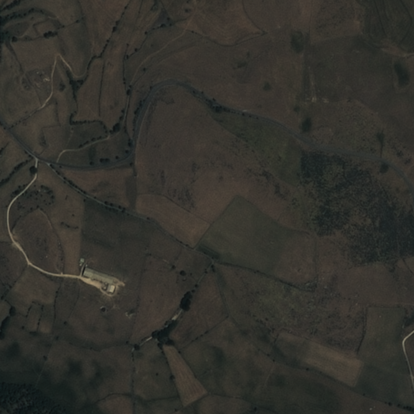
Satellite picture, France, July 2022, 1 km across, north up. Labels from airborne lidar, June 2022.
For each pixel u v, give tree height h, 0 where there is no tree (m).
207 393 0
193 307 0
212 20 0
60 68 0
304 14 0
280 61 0
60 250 0
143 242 0
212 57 0
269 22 0
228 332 0
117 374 0
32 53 0
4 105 0
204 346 0
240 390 0
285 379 0
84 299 0
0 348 0
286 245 0
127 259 0
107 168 0
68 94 0
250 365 0
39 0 0
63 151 0
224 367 0
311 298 0
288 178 0
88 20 0
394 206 0
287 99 0
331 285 0
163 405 0
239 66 0
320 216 0
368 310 0
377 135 0
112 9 0
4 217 0
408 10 0
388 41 0
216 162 0
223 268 0
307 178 0
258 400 0
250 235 0
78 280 0
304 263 0
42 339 0
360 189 0
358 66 0
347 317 0
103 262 0
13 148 0
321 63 0
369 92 0
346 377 0
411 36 0
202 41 0
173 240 0
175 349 0
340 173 0
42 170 0
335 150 0
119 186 0
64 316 0
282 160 0
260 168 0
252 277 0
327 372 0
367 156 0
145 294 0
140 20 0
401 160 0
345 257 0
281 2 0
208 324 0
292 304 0
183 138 0
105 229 0
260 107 0
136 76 0
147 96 0
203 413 0
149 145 0
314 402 0
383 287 0
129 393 0
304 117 0
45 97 0
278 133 0
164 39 0
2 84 0
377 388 0
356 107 0
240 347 0
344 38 0
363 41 0
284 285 0
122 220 0
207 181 0
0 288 0
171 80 0
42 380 0
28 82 0
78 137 0
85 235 0
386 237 0
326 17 0
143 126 0
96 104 0
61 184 0
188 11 7
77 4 0
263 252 0
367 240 0
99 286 0
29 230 0
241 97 0
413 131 0
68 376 0
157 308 0
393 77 0
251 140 0
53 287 0
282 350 0
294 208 0
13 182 0
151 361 0
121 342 0
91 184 0
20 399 13
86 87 0
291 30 0
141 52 0
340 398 0
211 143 0
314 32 0
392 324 0
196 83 0
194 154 0
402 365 0
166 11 0
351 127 0
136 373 0
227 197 0
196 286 8
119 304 0
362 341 0
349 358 0
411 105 0
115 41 0
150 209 0
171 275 0
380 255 0
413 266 0
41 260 0
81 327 0
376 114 0
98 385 0
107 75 0
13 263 0
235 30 0
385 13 0
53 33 14
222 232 0
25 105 0
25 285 0
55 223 0
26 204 0
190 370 0
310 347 0
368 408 0
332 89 0
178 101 0
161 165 0
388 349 0
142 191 0
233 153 0
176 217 0
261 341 0
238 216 0
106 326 0
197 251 0
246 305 0
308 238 0
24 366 0
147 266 0
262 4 0
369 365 0
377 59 0
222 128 0
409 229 0
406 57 0
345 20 0
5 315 0
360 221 0
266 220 0
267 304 0
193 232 0
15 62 0
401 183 0
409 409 10
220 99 0
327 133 0
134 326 0
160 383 0
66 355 0
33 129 0
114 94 0
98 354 0
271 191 0
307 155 0
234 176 0
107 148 0
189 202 0
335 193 0
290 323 0
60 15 0
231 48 0
